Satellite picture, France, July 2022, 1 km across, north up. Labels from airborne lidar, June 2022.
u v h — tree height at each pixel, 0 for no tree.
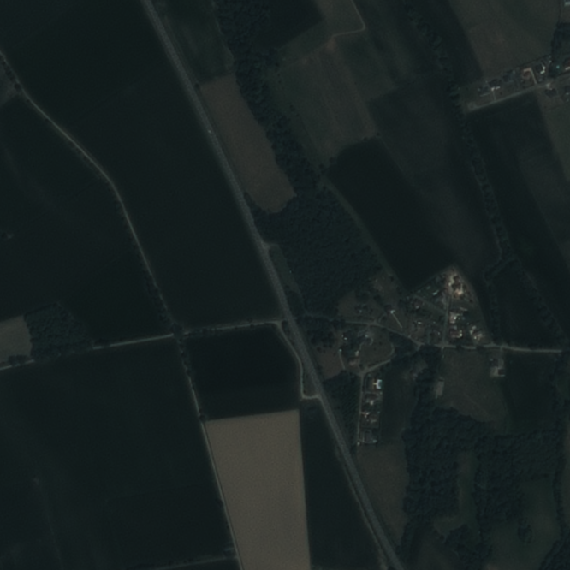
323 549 0
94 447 0
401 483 0
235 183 0
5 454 0
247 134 0
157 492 0
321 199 22
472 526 0
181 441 0
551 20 0
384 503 0
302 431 0
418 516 19
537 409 0
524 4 0
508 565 0
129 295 0
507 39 0
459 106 13
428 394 20
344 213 22
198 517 0
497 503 10
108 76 0
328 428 0
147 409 0
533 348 11
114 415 0
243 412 0
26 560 0
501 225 6
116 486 0
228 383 0
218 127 0
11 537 0
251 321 6
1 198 0
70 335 13
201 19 0
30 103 8
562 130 0
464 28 0
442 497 24
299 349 0
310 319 16
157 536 0
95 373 0
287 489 0
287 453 0
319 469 0
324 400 0
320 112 0
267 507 0
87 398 0
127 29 0
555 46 12
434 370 12
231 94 0
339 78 0
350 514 0
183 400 0
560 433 18
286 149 21
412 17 21
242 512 0
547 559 8
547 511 0
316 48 0
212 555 0
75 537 0
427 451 25
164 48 0
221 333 10
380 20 0
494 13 0
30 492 0
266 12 11
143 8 0
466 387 0
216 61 0
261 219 17
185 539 0
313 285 18
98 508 0
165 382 0
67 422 0
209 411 0
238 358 0
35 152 0
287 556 0
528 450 14
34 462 0
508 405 0
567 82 0
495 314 15
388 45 0
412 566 0
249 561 0
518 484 10
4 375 0
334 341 12
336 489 0
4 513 0
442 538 12
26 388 0
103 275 0
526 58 0
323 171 6
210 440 0
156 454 0
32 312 8
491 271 11
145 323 0
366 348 0
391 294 0
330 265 21
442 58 9
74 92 0
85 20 0
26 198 0
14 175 0
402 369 13
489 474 8
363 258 21
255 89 22
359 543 0
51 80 0
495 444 8
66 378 0
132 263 0
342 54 0
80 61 0
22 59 0
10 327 0
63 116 0
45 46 0
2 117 0
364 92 0
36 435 0
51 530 0
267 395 0
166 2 0
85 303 0
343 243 22
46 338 13
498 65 0
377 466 0
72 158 0
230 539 0
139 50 0
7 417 0
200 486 0
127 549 0
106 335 0
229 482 0
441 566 0
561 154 0
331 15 0
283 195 0
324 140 0
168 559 0
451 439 25
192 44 0
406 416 0
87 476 0
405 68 0
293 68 0
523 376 0
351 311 0
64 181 0
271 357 0
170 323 19
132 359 0
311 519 0
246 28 19
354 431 9
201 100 0
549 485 0
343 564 0
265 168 0
